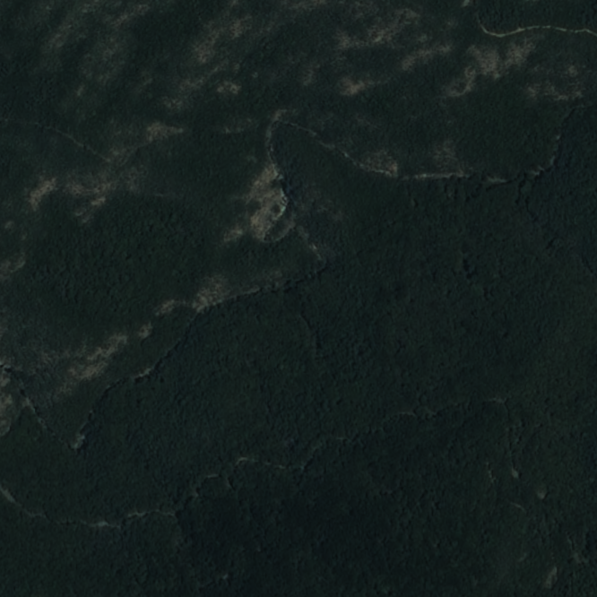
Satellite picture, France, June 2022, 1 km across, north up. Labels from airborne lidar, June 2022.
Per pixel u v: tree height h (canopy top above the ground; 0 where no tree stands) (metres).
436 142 9
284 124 7
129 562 15
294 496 16
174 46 7
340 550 16
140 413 17
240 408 6
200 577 14
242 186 10
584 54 7
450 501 15
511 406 14
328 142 8
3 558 11
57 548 12
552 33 6
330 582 13
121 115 7
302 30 7
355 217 7
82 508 10
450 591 13
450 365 16
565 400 19
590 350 6
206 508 20
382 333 16
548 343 6
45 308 6
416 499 17
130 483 12
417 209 14
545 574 6
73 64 8
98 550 11
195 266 18
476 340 14
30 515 13
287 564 16
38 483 15
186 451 9
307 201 7
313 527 18
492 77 8
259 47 6
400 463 14
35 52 6
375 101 10
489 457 15
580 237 7
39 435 14
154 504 14
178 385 12
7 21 6
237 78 6
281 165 6
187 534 20
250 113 8
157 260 6
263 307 20
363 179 8
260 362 19
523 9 8
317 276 17
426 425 16
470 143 10
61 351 6
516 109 12
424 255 11
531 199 20
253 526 19
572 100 7
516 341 15
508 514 11
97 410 11
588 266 8
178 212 13
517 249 13
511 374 12
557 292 13
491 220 21
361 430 14
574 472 11
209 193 6
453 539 15
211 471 12
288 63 6
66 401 10
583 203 12
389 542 14
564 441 14
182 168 6
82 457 19
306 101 6
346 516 20
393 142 6
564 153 11
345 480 18
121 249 16
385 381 14
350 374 14
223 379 9
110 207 9
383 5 6
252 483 12
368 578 15
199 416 7
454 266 22
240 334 14
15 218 6
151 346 18
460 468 12
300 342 14
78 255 16
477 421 14
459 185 17
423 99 8
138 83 9
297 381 19
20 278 8
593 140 13
